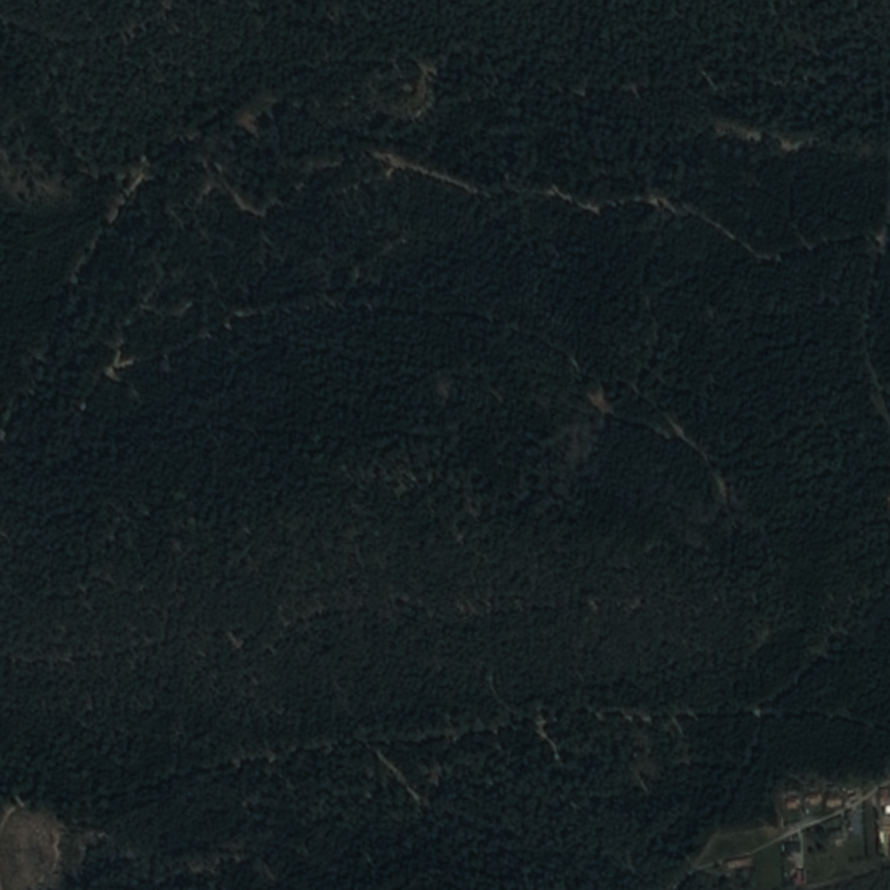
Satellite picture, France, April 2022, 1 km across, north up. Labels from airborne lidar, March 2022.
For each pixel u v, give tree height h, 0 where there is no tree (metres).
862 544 25
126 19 26
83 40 23
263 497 18
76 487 22
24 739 19
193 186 6
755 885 8
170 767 23
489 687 26
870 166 13
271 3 35
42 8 24
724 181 10
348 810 13
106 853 20
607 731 9
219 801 22
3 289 20
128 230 9
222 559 10
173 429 14
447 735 30
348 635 25
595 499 21
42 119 9
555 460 25
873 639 19
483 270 16
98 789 19
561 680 18
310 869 13
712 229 15
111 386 18
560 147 10
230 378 18
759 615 24
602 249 17
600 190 23
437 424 16
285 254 13
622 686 15
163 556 22
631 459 22
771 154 8
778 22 30
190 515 22
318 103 29
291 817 14
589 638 26
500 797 20
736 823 21
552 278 26
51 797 18
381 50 28
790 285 22
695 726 18
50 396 32
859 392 21
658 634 24
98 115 22
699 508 22
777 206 17
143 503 23
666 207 0
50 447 23
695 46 32
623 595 23
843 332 21
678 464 22
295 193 18
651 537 24
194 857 26
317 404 20
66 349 22
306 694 23
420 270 8
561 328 25
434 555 18
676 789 9
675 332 21
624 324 26
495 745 17
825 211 14
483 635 25
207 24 24
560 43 34
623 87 20
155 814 29
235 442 21
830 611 19
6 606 25
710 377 22
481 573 25
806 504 29
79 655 23
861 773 17
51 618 19
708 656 22
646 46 27
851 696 16
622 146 33
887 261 17
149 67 25
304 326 15
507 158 8
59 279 12
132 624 26
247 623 24
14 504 16
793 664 15
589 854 20
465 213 12
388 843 16
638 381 21
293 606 27
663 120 27
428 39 23
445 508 20
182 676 27
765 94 27
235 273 12
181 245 7
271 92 27
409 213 6
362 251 6
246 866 9
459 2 27
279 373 23
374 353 23
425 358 22
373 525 21
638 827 27
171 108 32
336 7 21
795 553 15
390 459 23
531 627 23
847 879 0
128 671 25
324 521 23
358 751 35
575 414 13
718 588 23
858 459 20
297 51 31
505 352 20
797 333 19
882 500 21
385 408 26
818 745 15
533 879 16
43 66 23
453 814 30
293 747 19
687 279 15
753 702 19
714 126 22
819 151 12
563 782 32
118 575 23
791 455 28
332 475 23
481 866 36
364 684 24
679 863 29
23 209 7
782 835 0
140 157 8
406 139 9
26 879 0
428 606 26
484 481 13
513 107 14
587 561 22
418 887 34
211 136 22
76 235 10
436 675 28
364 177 35
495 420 16
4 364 21
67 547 18
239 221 14
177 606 22
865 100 29
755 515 21
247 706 21
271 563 12
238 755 20
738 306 24
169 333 8
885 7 27
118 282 10
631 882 31
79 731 20
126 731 20
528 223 36
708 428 18
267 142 20
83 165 13
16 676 19
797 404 20
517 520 25
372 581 26
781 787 25
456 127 19
